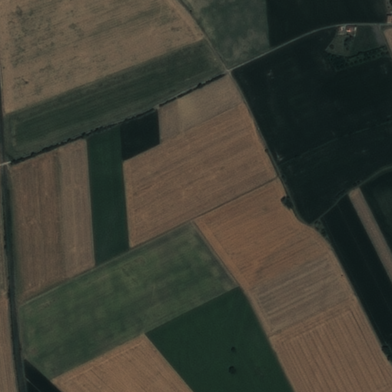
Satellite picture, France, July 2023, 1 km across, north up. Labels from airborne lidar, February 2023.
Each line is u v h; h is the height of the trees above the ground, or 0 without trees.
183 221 0
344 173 0
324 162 0
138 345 0
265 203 0
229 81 0
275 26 0
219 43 0
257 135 0
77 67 0
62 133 0
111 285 0
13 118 0
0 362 0
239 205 0
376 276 0
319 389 0
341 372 0
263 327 0
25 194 0
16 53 0
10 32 0
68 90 0
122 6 0
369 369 0
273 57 0
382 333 0
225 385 0
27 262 0
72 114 0
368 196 0
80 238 0
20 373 0
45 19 0
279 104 0
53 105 0
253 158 0
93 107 0
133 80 0
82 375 0
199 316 0
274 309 0
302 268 0
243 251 0
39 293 0
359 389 0
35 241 0
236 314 0
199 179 0
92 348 0
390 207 0
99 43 0
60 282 0
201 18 0
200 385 0
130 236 0
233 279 0
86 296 0
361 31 0
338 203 0
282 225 0
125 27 0
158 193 0
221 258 0
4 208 0
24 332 0
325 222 0
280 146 0
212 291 0
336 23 0
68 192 0
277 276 0
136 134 0
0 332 0
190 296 0
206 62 0
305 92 0
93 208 0
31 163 0
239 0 0
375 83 0
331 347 0
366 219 0
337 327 0
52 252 0
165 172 0
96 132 8
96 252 0
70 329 0
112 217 0
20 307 0
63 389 0
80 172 0
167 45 0
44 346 0
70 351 0
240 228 0
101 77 0
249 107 0
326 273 0
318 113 0
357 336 0
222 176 0
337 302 0
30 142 0
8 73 0
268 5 0
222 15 0
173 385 0
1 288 0
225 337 0
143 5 0
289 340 0
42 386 0
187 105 0
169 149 0
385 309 0
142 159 0
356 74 0
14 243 0
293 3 0
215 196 0
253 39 0
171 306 0
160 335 0
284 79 0
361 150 0
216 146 0
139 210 0
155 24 0
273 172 0
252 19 0
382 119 0
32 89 0
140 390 0
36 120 0
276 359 0
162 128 0
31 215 0
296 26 0
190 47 0
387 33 0
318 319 0
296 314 0
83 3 0
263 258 0
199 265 0
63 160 0
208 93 0
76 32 0
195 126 0
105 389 0
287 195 0
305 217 0
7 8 0
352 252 0
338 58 9
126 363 0
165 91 0
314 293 0
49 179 0
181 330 0
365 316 0
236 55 0
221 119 0
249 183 0
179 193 0
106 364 0
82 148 0
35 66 0
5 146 0
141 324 0
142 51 0
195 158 0
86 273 0
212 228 0
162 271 0
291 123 0
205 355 0
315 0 0
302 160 0
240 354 0
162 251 0
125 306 0
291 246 0
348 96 0
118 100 0
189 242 0
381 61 0
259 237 0
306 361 0
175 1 0
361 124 0
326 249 0
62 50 0
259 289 0
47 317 0
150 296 0
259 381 0
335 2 0
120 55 0
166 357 0
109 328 0
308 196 0
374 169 0
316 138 0
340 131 0
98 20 0
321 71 0
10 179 0
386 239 0
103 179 0
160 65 0
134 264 0
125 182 0
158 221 0
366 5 0
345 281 0
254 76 0
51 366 0
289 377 0
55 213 0
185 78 0
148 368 0
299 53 0
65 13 0
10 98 0
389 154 0
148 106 0
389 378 0
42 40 0
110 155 0
